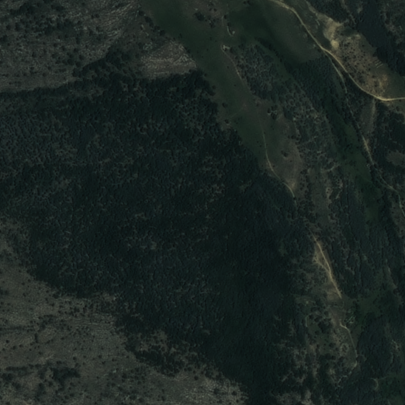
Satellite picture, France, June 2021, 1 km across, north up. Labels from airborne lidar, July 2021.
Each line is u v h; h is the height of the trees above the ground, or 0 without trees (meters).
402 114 6
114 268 12
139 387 0
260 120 0
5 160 13
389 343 9
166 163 12
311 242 7
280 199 8
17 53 0
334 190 9
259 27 0
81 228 7
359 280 9
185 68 0
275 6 0
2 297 0
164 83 11
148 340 7
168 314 11
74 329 0
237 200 11
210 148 8
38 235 7
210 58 0
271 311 11
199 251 7
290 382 9
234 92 0
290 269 9
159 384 0
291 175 0
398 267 6
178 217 9
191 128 9
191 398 0
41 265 6
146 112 10
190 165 10
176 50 0
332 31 0
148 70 0
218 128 12
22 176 9
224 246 8
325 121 8
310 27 0
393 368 7
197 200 7
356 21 9
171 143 11
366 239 9
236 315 11
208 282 9
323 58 6
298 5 0
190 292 11
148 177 8
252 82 6
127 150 9
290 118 6
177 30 0
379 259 10
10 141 10
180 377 0
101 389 0
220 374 6
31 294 0
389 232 15
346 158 9
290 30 0
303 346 6
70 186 11
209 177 10
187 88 11
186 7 0
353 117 12
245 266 9
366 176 0
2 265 0
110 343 0
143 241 10
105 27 0
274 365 9
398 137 10
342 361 9
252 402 11
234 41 0
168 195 8
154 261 11
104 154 8
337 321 0
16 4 0
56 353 0
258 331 12
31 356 0
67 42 0
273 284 11
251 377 10
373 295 0
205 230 6
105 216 9
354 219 11
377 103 8
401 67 14
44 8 0
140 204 10
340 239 6
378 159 11
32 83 0
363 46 6
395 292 10
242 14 0
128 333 6
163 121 9
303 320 8
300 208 6
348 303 0
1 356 0
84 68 10
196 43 0
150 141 10
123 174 13
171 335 11
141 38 0
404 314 10
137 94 12
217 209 8
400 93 0
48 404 0
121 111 11
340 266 10
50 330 0
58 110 8
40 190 13
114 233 10
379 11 9
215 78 0
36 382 0
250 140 0
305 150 7
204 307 11
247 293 11
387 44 14
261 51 8
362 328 7
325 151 5
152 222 12
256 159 10
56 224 10
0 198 7
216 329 8
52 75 0
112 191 11
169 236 11
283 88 9
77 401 0
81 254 10
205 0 0
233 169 8
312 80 7
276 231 11
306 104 8
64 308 0
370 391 8
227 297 9
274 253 10
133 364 0
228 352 13
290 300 8
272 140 0
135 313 7
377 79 0
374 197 0
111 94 7
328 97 6
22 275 0
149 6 0
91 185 13
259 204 12
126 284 12
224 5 0
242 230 11
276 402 7
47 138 11
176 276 11
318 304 9
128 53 7
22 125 9
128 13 0
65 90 10
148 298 11
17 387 6
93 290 6
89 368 0
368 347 11
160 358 7
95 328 0
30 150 11
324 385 7
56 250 10
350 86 8
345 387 9
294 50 0
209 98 6
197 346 9
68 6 0
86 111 15
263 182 10
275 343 6
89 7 0
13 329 0
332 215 8
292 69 7
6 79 0
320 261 0
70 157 8
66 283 7
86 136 12
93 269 9
